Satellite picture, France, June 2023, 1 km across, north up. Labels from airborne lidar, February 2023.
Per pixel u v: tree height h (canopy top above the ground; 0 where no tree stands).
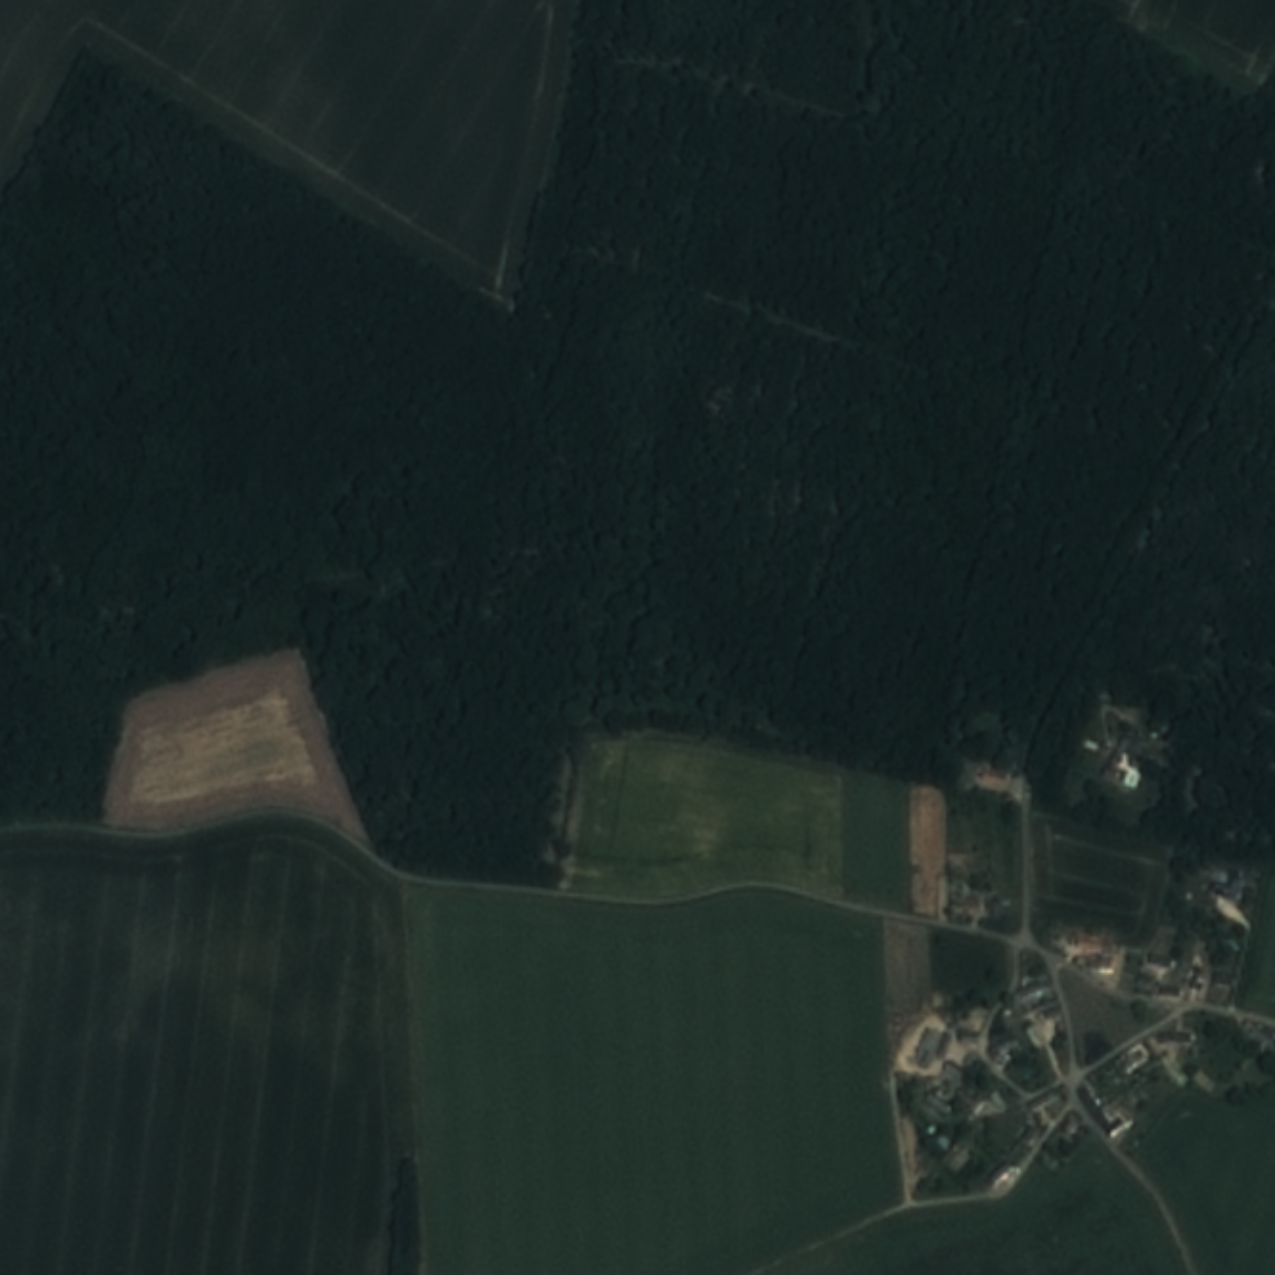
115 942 0
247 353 15
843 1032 0
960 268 14
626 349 21
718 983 0
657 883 0
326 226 19
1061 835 0
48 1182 0
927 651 16
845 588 14
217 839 0
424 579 24
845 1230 0
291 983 0
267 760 0
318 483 22
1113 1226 0
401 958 0
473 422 20
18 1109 0
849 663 18
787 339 17
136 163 20
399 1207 11
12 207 18
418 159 0
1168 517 16
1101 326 13
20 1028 0
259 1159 0
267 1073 0
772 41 8
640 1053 0
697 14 20
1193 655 22
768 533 18
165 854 0
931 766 7
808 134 13
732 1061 0
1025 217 16
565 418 18
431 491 20
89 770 17
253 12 0
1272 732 23
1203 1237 0
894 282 17
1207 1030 8
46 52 0
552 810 17
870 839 0
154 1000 0
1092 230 18
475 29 0
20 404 19
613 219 20
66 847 0
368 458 15
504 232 0
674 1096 0
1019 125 20
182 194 22
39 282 10
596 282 18
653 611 23
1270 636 19
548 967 0
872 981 0
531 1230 0
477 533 18
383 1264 0
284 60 0
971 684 16
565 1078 0
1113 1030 0
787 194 16
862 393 18
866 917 0
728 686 13
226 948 0
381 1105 0
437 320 22
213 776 0
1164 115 20
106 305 20
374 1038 0
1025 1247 0
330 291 22
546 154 0
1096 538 14
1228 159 19
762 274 15
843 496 16
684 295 15
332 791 0
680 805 0
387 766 21
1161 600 14
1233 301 19
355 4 0
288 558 19
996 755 14
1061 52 16
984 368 16
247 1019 0
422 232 0
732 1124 0
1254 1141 0
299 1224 0
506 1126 0
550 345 18
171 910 0
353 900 0
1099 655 15
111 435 9
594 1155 0
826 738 7
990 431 9
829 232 17
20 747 14
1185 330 20
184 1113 0
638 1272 0
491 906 0
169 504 20
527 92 0
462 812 16
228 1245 0
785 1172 0
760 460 14
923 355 16
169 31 0
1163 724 17
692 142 16
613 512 19
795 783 0
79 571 8
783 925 0
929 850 0
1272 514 19
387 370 17
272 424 18
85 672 15
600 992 0
